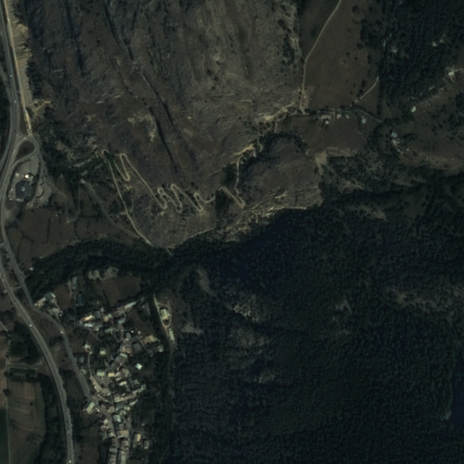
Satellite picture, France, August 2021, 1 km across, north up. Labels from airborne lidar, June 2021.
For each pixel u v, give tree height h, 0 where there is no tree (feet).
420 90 26
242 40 0
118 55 0
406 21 54
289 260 49
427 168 24
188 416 48
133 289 0
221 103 0
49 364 0
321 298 56
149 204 0
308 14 0
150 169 0
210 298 37
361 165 21
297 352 33
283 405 58
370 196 27
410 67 46
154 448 25
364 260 84
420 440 56
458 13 52
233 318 32
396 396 49
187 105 0
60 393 0
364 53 0
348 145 0
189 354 23
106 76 0
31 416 0
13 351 0
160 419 54
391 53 21
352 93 23
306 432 33
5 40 0
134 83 0
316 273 49
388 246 44
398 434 70
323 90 0
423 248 52
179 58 0
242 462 61
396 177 18
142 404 22
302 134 0
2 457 0
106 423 0
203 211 0
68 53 0
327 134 0
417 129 0
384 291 45
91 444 0
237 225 17
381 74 29
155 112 0
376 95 0
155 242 0
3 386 0
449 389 44
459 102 33
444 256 28
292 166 0
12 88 0
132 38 0
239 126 0
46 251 0
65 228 0
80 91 0
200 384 36
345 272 65
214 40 0
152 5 0
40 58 0
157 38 0
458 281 82
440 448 56
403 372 44
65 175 37
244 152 33
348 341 60
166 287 23
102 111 0
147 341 0
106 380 0
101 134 0
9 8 0
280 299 49
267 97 0
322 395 33
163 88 0
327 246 81
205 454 37
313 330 53
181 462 42
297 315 50
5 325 25
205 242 58
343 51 0
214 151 0
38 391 0
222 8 0
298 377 43
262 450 57
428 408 36
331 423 59
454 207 38
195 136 0
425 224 38
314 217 36
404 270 48
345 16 0
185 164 0
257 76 0
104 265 26
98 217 20
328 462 74
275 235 22
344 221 41
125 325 28
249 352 25
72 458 0
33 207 0
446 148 0
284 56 23
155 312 49
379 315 59
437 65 28
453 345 26
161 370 44
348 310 58
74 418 34
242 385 39
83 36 0
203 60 0
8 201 0
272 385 65
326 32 0
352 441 66
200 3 0
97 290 0
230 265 19
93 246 40
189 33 0
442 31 45
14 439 0
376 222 33
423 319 49
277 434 62
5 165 0
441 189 38
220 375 29
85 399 19
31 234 0
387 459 57
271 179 0
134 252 23
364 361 44
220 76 0
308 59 0
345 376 51
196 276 42
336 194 29
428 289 36
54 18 0
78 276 24
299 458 42
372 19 0
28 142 0
